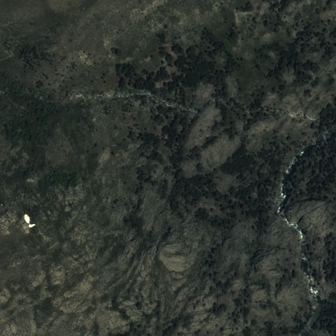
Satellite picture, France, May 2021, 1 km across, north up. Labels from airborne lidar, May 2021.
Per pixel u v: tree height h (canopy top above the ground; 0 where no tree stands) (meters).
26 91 7
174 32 0
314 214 0
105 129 0
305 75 21
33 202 0
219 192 17
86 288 0
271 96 0
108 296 0
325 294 0
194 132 0
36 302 0
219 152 0
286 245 0
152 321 0
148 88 15
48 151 0
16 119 12
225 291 9
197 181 18
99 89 0
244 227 0
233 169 18
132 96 6
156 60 0
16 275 0
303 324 13
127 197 0
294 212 0
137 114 0
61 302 0
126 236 0
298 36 10
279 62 13
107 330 0
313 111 0
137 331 22
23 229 0
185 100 15
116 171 0
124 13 0
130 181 0
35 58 9
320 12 12
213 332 0
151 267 0
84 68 0
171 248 0
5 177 0
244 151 12
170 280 0
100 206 0
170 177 0
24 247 0
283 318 0
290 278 12
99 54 0
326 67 0
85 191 0
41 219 0
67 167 0
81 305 0
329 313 13
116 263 0
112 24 0
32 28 0
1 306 0
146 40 0
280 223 0
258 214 21
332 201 16
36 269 0
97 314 0
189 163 0
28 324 0
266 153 15
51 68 0
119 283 0
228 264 0
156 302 7
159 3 0
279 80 10
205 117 0
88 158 0
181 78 26
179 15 0
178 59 11
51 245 0
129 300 0
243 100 0
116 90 9
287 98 0
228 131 16
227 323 0
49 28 0
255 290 0
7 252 0
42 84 11
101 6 0
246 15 0
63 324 0
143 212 0
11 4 0
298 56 26
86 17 0
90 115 0
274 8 12
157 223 0
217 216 16
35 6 0
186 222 0
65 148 0
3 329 0
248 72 0
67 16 0
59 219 0
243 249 0
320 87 0
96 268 0
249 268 8
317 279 14
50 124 7
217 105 16
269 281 0
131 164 0
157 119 23
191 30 0
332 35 12
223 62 0
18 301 0
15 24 0
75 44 0
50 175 7
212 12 0
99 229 0
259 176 21
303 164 23
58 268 0
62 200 0
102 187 0
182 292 0
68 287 0
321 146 17
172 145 14
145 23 0
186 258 0
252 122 16
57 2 0
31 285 0
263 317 0
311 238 0
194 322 0
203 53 18
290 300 0
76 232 0
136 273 0
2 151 0
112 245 0
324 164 17
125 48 0
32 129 10
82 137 0
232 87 0
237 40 0
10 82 7
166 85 29
